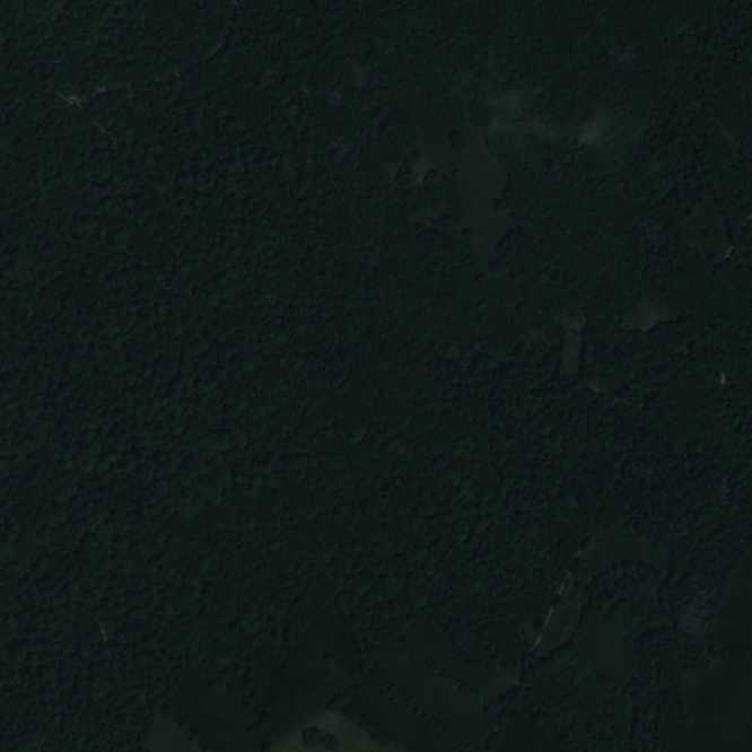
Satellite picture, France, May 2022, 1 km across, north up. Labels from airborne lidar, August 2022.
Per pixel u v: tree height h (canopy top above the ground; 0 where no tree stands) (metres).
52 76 20
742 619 0
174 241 19
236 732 0
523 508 20
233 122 19
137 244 22
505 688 0
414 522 29
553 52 18
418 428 18
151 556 9
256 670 20
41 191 22
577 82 19
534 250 17
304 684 0
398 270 22
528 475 8
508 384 10
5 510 24
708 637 16
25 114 15
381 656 0
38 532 22
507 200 16
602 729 11
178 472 23
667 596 16
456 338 13
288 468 23
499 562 20
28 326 16
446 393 20
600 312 19
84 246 22
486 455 23
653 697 13
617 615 14
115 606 21
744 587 0
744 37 16
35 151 15
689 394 19
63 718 19
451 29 19
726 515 16
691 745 0
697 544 8
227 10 15
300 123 10
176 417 23
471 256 15
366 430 18
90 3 14
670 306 12
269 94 19
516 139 20
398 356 13
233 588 18
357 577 21
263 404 18
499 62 20
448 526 20
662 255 24
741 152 14
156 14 14
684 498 21
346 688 0
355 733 0
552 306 17
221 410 8
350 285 17
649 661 18
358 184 20
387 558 19
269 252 20
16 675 22
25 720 11
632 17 20
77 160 22
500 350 14
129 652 18
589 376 18
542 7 19
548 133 18
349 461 25
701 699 0
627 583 22
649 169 17
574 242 17
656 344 17
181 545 18
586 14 19
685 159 7
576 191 17
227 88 18
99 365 22
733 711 0
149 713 16
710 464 22
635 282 18
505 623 8
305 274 20
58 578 17
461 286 19
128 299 19
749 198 17
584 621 11
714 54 17
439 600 20
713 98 16
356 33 22
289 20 17
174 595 18
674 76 17
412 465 18
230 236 26
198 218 18
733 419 24
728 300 22
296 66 18
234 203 21
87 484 22
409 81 19
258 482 22
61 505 19
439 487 17
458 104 17
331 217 17
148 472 24
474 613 7
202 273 20
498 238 0
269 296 16
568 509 21
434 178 13
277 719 0
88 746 15
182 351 19
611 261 14
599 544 0
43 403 18
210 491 23
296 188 20
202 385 21
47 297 24
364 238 16
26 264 25
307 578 20
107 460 25
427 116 0
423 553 22
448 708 0
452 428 19
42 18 18
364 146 17
